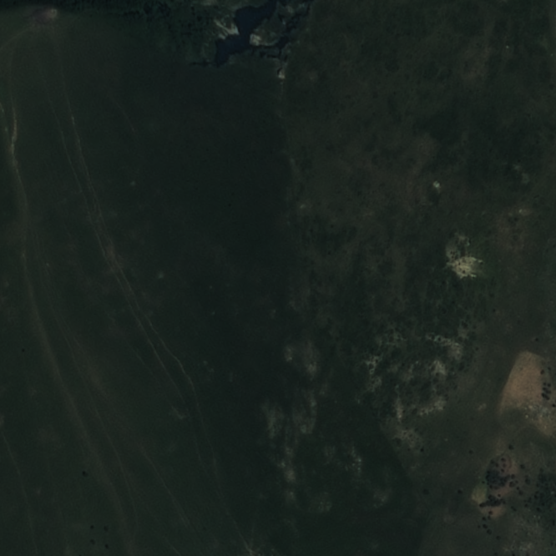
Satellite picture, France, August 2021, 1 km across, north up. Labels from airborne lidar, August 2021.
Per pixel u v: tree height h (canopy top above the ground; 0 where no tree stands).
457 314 0
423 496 0
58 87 0
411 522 0
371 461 0
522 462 0
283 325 0
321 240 0
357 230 0
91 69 0
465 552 0
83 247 0
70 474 0
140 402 0
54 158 0
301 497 0
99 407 0
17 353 0
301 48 0
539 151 0
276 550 0
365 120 0
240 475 0
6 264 0
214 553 0
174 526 0
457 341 0
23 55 0
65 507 0
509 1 0
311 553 0
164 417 0
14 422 0
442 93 0
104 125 0
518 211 0
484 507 7
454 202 0
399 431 0
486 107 0
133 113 0
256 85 0
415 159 0
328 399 0
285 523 0
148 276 0
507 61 0
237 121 0
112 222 0
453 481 0
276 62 0
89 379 0
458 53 0
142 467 0
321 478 0
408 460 0
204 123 0
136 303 0
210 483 0
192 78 0
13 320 0
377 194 0
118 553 0
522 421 0
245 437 0
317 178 0
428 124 0
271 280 0
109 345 0
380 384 0
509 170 0
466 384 0
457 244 0
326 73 0
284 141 0
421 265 0
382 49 0
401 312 0
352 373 0
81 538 0
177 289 0
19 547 0
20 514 0
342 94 0
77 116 0
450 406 0
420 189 0
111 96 0
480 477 0
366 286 0
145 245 0
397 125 0
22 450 0
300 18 0
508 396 0
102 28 0
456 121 0
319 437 0
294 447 0
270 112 0
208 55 0
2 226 0
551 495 0
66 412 0
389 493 0
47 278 0
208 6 0
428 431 0
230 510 0
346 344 0
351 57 0
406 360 0
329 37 0
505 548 0
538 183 0
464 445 0
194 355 0
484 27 0
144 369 0
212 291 0
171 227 0
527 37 0
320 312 0
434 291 0
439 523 0
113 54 0
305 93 0
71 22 0
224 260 0
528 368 0
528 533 0
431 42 0
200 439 0
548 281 0
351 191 0
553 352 0
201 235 0
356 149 0
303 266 0
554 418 0
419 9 0
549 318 0
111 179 0
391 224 0
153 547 0
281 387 0
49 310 0
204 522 0
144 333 0
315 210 0
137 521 0
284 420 0
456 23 0
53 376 0
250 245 0
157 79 0
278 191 0
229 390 0
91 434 0
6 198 0
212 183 0
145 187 0
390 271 0
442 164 0
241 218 0
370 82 0
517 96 0
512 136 0
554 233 0
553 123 0
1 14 0
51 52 0
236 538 0
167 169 0
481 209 0
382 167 0
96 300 0
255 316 0
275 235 0
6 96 0
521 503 0
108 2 14
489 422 0
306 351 0
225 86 0
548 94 0
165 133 0
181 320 0
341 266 0
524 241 0
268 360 0
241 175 0
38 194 0
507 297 0
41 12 0
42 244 0
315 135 0
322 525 0
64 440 0
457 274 0
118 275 0
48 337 0
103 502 0
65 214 0
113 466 0
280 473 0
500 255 0
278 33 0
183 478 0
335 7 0
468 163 0
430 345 0
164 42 0
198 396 0
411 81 0
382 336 0
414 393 0
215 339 0
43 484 0
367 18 0
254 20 0
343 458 0
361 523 0
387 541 0
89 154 0
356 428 0
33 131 0
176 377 0
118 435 0
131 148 0
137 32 0
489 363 0
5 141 0
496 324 0
